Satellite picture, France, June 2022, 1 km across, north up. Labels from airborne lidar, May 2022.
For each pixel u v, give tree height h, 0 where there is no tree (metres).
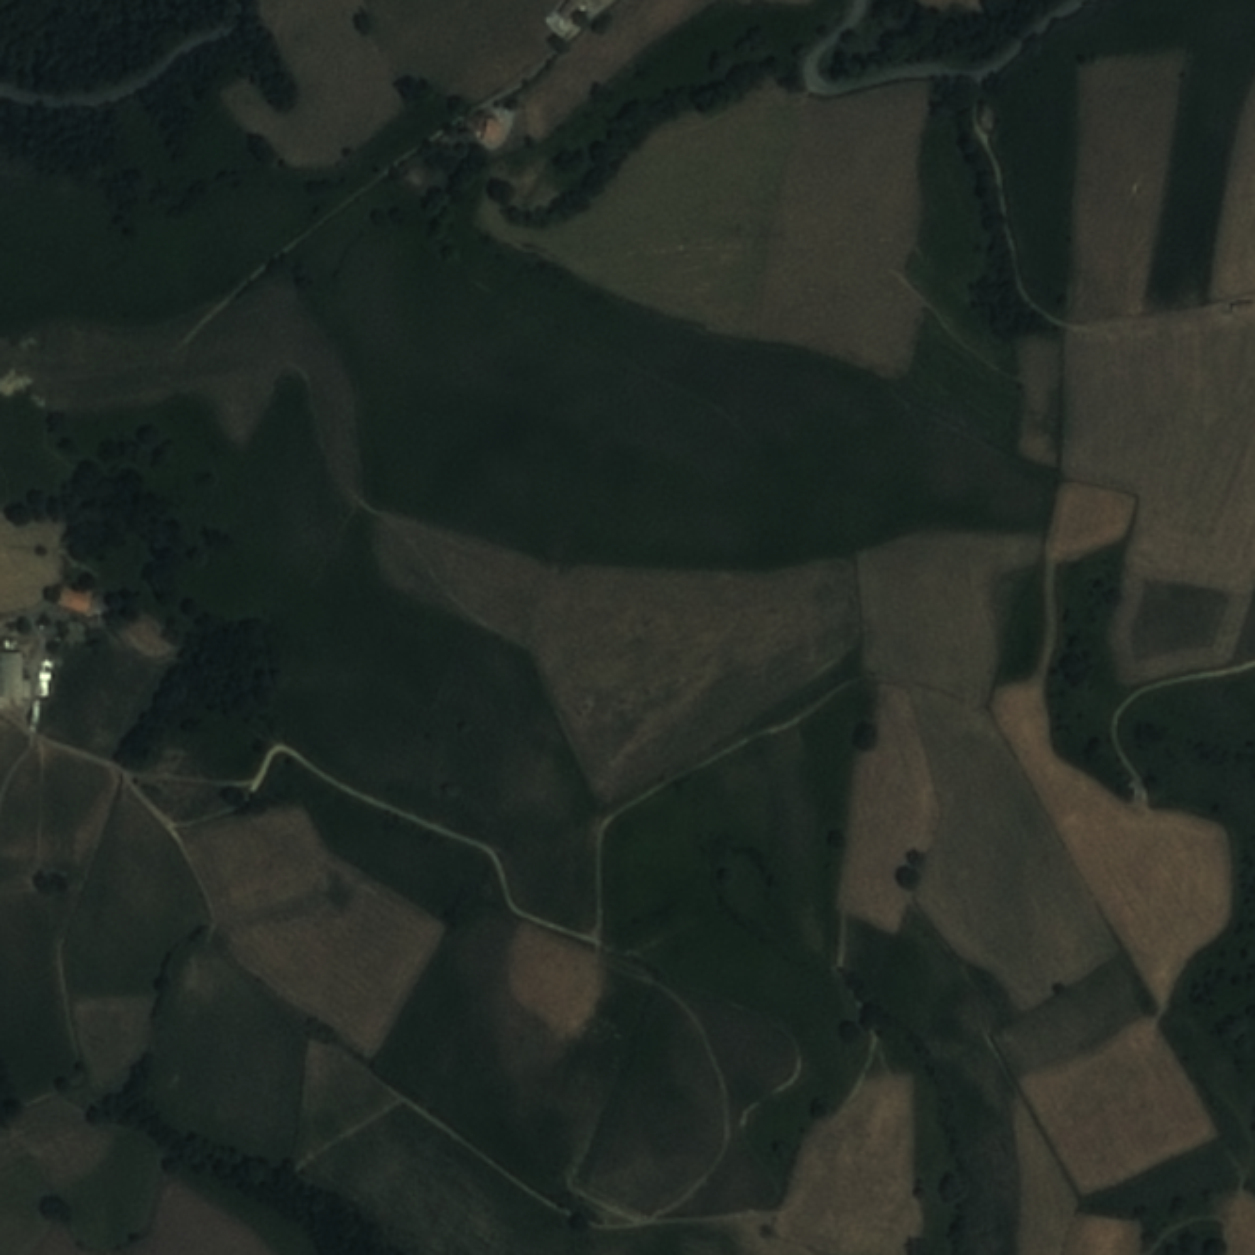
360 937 0
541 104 0
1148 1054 0
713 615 0
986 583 0
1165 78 0
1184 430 0
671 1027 0
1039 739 0
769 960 0
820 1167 0
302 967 0
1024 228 0
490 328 0
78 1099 0
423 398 0
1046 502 0
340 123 0
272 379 0
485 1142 0
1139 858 0
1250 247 0
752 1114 0
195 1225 0
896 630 0
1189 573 0
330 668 0
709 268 0
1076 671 16
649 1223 0
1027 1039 0
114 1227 0
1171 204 0
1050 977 0
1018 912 0
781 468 0
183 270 0
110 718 0
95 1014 0
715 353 0
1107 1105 0
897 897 0
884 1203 0
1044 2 9
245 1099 0
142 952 0
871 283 0
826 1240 0
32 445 0
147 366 0
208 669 20
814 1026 0
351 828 0
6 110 19
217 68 9
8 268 0
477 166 16
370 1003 0
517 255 0
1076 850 0
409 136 0
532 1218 0
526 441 0
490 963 0
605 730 0
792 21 0
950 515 0
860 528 0
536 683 0
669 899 0
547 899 0
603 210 0
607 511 0
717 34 0
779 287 0
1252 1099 0
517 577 0
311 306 0
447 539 0
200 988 0
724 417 0
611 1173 0
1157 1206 0
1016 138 0
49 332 0
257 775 0
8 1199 0
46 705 0
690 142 0
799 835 0
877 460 0
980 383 0
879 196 0
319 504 0
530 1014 0
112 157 12
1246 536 0
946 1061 0
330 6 0
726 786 0
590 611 0
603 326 0
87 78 20
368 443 0
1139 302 0
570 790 0
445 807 0
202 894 0
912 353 0
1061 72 0
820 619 0
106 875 0
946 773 0
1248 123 0
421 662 0
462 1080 0
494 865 0
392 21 0
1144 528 0
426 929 0
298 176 0
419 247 0
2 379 0
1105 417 0
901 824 0
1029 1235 0
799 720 0
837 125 0
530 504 0
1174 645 0
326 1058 0
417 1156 0
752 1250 0
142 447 20
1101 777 0
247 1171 23
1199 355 0
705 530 0
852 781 0
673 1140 0
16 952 0
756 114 0
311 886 0
